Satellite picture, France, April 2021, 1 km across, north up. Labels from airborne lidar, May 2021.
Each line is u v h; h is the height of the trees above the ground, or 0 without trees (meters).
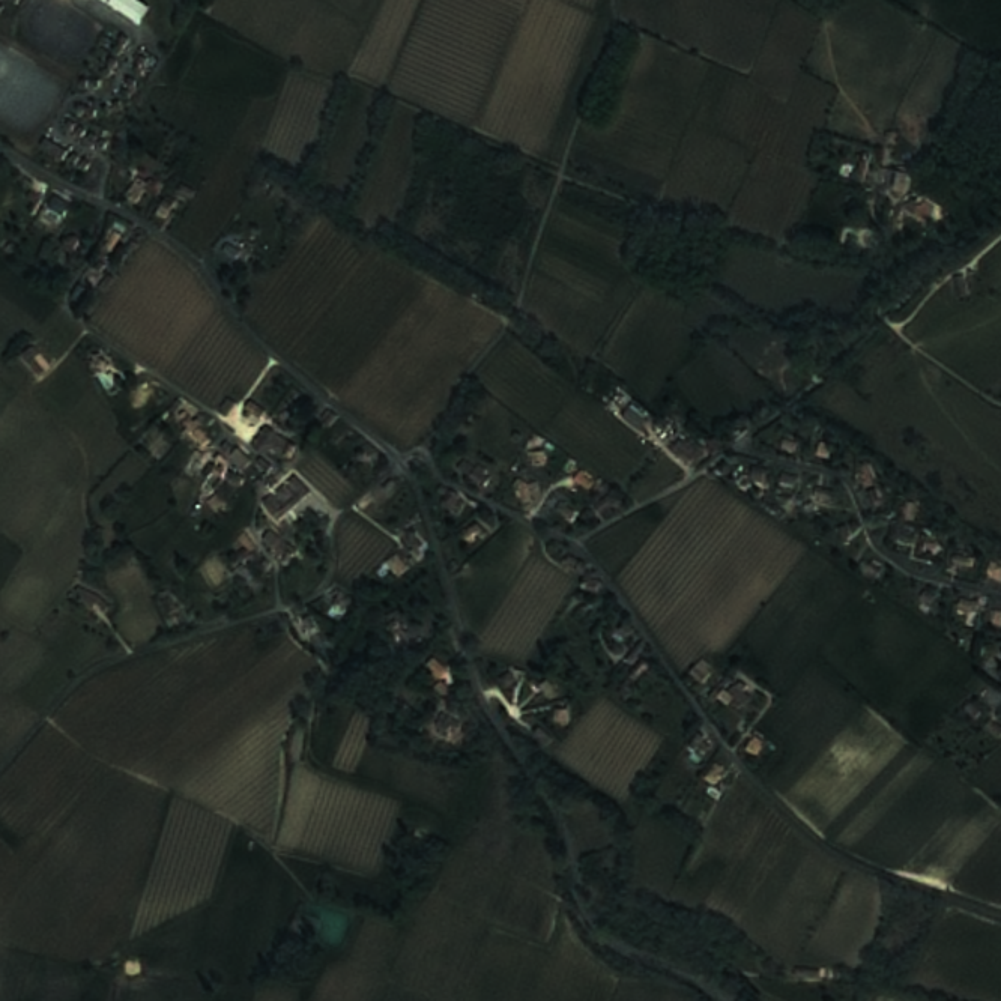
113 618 0
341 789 0
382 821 0
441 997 0
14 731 0
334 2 0
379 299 0
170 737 0
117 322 0
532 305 0
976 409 0
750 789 0
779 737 0
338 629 13
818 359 18
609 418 0
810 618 0
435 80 0
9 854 0
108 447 0
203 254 0
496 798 0
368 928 0
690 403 0
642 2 0
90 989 0
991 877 0
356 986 0
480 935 0
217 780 0
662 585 0
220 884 0
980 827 0
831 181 12
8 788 0
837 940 0
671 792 0
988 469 0
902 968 13
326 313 0
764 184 0
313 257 0
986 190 15
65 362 0
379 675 15
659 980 21
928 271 18
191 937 0
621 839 18
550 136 0
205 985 0
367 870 0
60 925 0
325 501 0
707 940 22
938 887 0
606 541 0
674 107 0
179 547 0
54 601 0
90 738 0
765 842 0
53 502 0
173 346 0
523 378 0
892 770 0
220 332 0
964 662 0
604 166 0
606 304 0
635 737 0
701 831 13
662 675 12
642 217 14
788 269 0
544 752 11
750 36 0
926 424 0
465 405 17
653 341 0
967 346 0
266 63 0
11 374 0
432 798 0
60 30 0
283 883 0
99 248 6
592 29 0
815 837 0
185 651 0
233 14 0
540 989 0
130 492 13
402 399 0
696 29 0
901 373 0
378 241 12
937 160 14
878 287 21
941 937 0
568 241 0
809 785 0
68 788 0
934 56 0
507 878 0
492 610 0
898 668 0
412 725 12
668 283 20
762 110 0
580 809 12
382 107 15
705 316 0
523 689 0
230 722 0
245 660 0
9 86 0
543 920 0
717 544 0
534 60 0
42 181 0
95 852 0
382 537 0
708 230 24
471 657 16
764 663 0
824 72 0
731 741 6
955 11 0
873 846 0
